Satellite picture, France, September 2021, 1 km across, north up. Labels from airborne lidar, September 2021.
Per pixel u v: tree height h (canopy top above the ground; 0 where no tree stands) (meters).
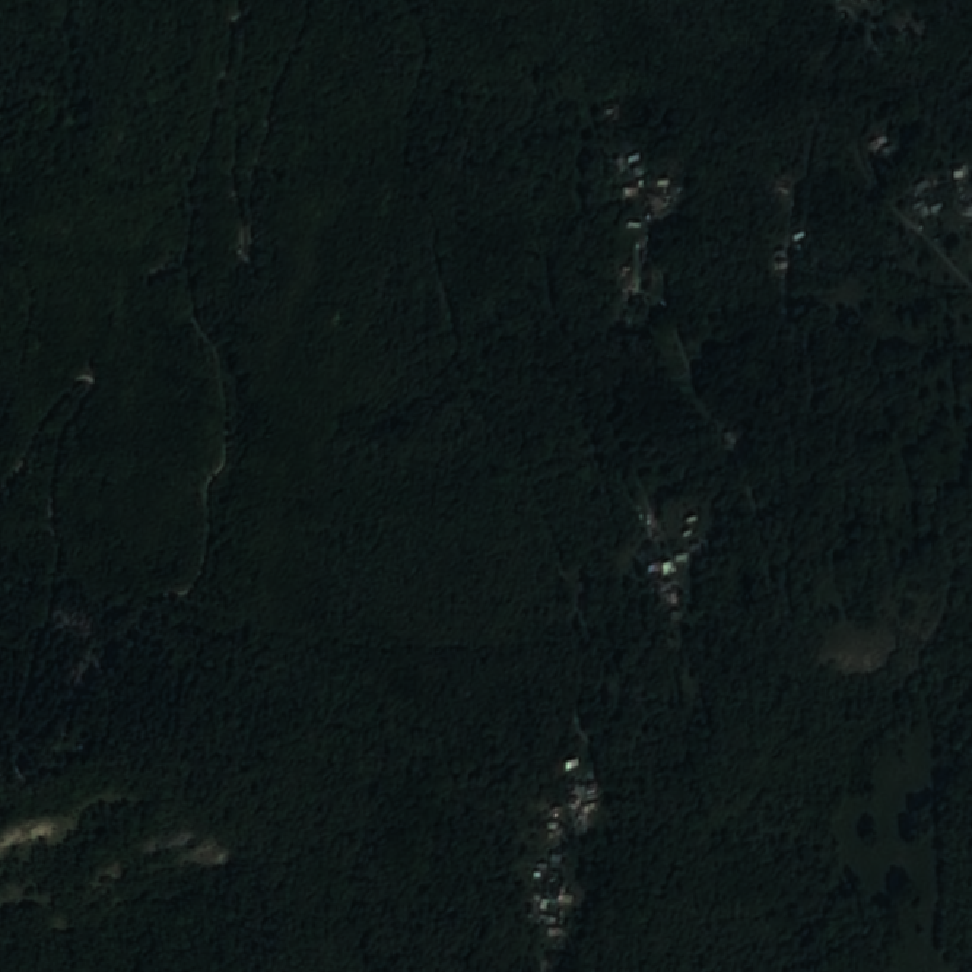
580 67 23
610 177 16
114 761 22
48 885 19
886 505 21
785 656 22
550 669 23
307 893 25
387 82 17
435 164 27
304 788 22
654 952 25
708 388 21
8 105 24
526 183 19
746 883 28
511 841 23
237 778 20
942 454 12
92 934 13
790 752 16
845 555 12
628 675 26
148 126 19
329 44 17
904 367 24
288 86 19
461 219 21
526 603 19
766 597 17
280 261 18
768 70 31
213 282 18
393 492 24
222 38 14
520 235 21
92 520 15
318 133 17
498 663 21
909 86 24
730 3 24
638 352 24
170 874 14
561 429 26
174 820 12
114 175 11
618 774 20
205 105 11
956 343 14
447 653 24
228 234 13
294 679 26
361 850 15
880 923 21
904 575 21
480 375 20
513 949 22
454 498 23
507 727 22
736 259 21
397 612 18
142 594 14
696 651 20
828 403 21
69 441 15
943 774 6
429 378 23
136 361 15
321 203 13
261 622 20
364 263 16
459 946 21
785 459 23
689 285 24
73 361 16
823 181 26
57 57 23
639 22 22
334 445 18
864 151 8
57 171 18
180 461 15
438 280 14
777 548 26
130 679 24
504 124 22
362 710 22
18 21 28
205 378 17
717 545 21
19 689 31
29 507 8
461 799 24
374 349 19
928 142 19
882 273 20
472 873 21
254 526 16
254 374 16
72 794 23
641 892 23
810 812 24
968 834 16
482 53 26
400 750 26
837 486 27
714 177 26
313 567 19
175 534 11
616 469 11
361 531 21
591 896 14
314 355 18
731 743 22
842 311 0
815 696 17
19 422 16
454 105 25
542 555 21
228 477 8
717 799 22
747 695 25
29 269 15
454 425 21
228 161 17
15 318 9
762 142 23
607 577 20
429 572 22
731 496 17
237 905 22
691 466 19
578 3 20
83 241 11
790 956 25
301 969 20
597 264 21
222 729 17
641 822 24
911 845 22
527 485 17
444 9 21
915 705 24
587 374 19
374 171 27
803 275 21
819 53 25
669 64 23
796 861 19
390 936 24
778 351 21
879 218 24
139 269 14
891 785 0
